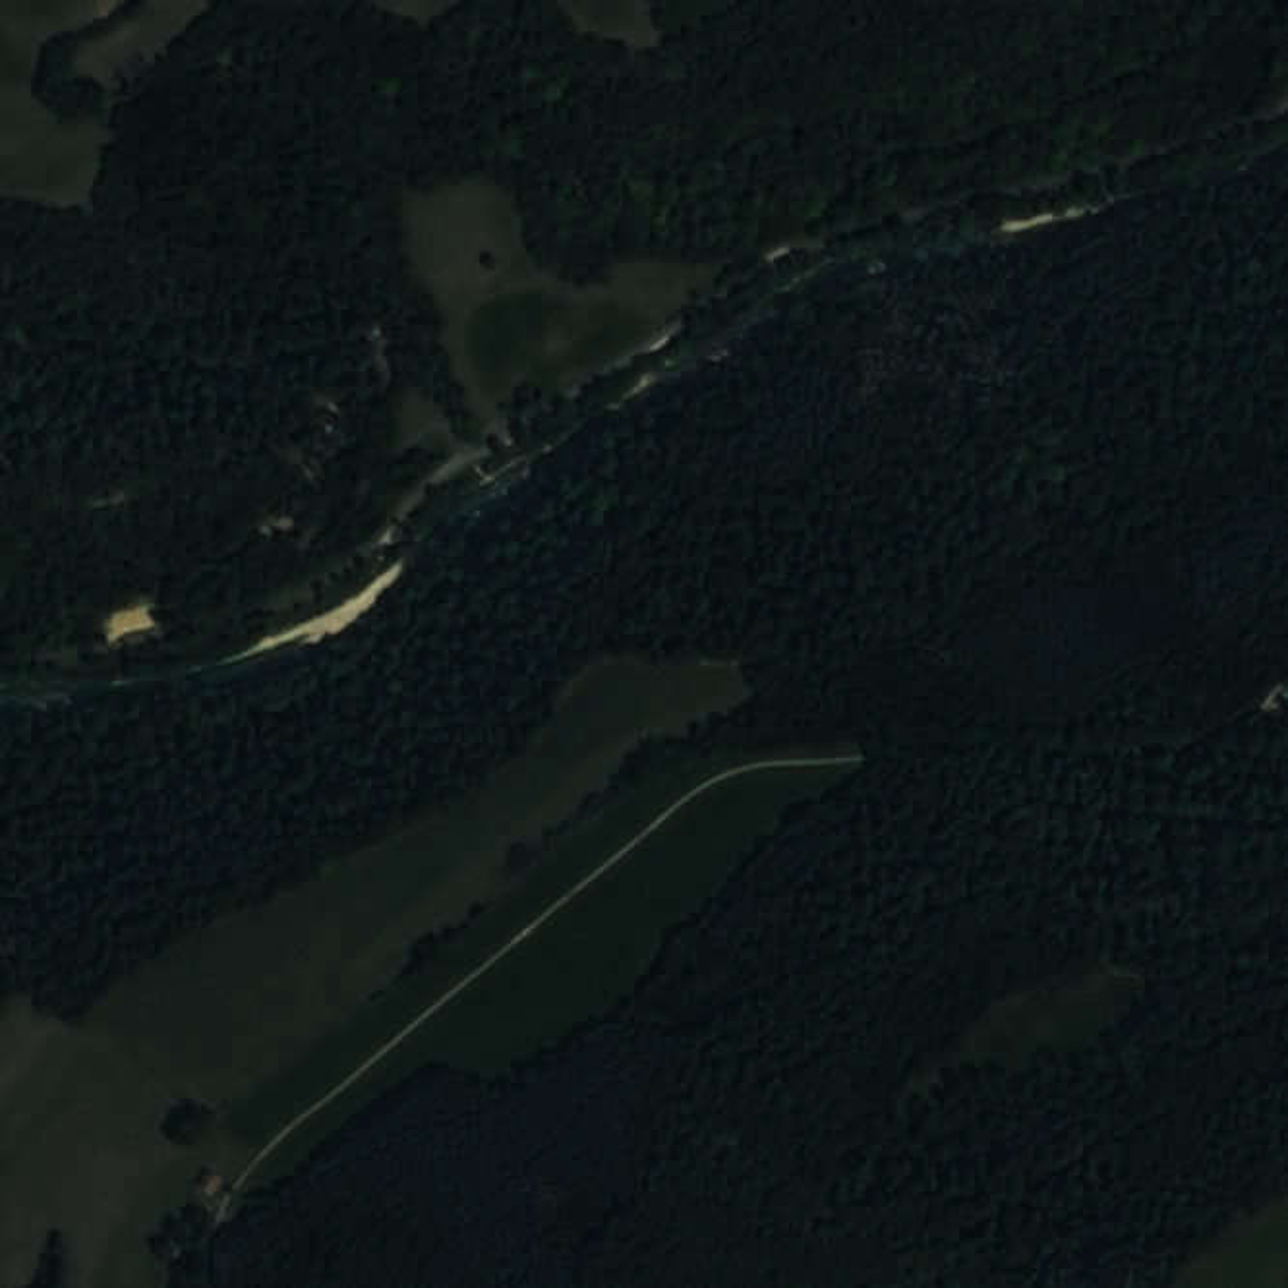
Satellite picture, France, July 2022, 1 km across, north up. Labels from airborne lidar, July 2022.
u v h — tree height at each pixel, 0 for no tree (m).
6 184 0
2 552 12
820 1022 29
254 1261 25
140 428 32
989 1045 0
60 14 0
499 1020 0
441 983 0
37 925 20
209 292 28
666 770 18
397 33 15
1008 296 24
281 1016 0
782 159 32
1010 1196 33
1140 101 23
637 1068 27
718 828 0
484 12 24
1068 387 26
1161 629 24
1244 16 17
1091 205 26
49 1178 0
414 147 32
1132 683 17
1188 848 32
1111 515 25
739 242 32
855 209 25
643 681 0
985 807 30
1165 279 23
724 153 9
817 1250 18
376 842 13
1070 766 24
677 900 0
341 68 26
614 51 17
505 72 16
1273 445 15
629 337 0
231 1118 0
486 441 0
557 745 0
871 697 17
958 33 17
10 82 0
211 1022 0
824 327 32
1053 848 32
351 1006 0
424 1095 28
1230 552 31
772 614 19
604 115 16
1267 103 20
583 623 26
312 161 11
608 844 0
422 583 21
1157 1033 26
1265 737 24
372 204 31
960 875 32
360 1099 0
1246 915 29
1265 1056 21
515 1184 21
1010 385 13
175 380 34
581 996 0
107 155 16
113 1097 0
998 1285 16
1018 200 17
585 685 0
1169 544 19
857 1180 35
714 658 11
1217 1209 23
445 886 0
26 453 30
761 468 34
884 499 23
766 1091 28
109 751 27
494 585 35
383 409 24
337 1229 20
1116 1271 29
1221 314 26
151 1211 0
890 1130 24
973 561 36
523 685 29
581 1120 26
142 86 11
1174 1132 18
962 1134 16
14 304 30
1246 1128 26
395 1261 19
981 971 21
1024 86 14
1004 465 28
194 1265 26
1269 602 18
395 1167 26
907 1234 23
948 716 16
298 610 11
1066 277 37
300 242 16
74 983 21
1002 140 32
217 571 19
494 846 0
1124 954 20
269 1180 0
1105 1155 29
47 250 20
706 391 37
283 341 32
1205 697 17
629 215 26
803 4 18
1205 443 29
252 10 23
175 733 10
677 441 31
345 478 22
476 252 0
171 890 27
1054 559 29
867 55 19
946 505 28
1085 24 17
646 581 23
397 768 35
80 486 18
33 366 27
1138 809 25
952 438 24
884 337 22
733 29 15
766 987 10
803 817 21
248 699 29
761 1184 19
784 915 16
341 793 31
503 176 30
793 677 16
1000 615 26
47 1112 0
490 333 0
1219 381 35
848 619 20
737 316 8
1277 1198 22
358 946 0
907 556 34
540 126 33
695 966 21
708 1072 23
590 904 0
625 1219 29
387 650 32
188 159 11
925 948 22
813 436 34
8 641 38
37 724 32
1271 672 15
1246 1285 0
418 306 28
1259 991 22
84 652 14
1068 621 24
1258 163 0
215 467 17
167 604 29
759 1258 20
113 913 34
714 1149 22
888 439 16
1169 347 25
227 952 0
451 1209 24
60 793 31
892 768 14
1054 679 25
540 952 0
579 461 21
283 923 0
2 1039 0
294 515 25
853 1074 27
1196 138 16
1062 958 25
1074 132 25
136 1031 0
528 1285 24
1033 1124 9
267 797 17
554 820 0
